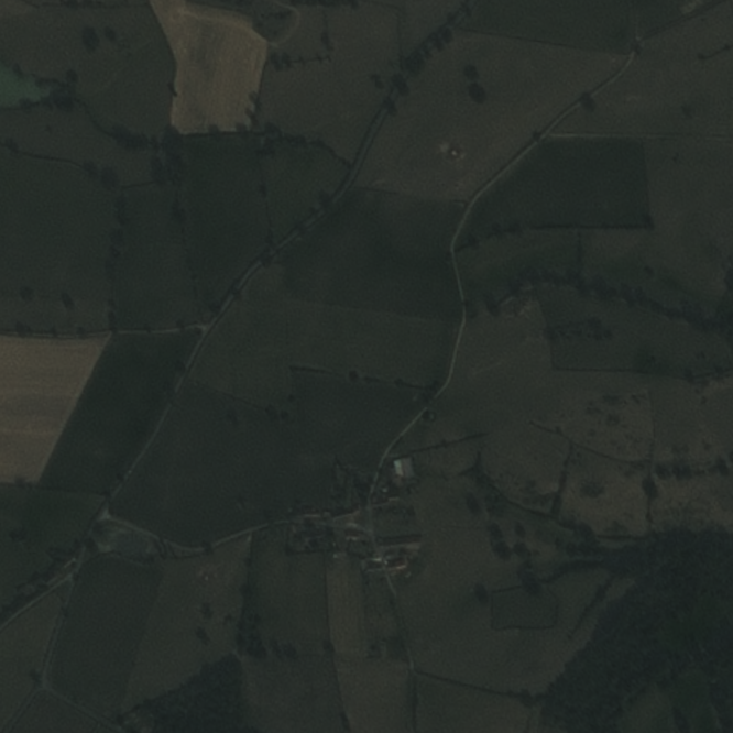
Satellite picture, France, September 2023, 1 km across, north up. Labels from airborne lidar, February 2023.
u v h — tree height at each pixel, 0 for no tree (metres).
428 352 0
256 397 0
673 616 24
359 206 0
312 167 0
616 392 0
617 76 0
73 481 0
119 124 0
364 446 0
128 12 0
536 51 0
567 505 0
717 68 0
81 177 0
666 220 0
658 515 0
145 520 0
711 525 0
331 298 0
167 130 0
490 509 7
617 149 0
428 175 0
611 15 0
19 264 0
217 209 0
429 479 0
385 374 0
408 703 0
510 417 0
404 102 0
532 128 0
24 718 0
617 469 0
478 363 0
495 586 0
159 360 0
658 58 0
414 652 0
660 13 0
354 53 0
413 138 0
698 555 21
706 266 0
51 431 0
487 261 0
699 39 0
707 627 0
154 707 6
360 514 0
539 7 0
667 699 0
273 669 0
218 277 0
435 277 0
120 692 0
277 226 0
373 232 0
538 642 0
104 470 0
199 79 0
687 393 0
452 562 0
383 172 0
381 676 0
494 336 0
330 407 0
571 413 0
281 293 0
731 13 0
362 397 0
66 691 0
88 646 0
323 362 0
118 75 0
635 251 0
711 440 0
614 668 12
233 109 0
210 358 0
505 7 0
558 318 0
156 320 0
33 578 8
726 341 6
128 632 0
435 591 0
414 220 0
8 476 0
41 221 0
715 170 0
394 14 0
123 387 0
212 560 0
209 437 0
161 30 0
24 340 0
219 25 0
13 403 0
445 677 0
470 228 0
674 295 0
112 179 19
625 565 19
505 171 0
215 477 0
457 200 0
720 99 0
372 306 0
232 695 23
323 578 0
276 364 0
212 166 0
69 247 0
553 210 0
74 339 0
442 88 0
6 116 0
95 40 16
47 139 0
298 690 0
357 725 0
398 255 0
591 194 0
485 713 0
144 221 0
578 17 0
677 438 0
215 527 0
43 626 0
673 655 14
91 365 0
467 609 0
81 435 0
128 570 0
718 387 0
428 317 0
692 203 0
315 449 0
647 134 0
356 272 0
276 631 0
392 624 0
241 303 0
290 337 0
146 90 0
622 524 0
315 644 0
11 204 0
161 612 0
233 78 0
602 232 0
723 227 0
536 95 0
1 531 0
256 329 0
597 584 0
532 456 0
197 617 0
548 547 0
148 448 0
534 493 0
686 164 0
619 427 0
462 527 0
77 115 0
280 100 0
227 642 0
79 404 0
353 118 0
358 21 0
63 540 0
